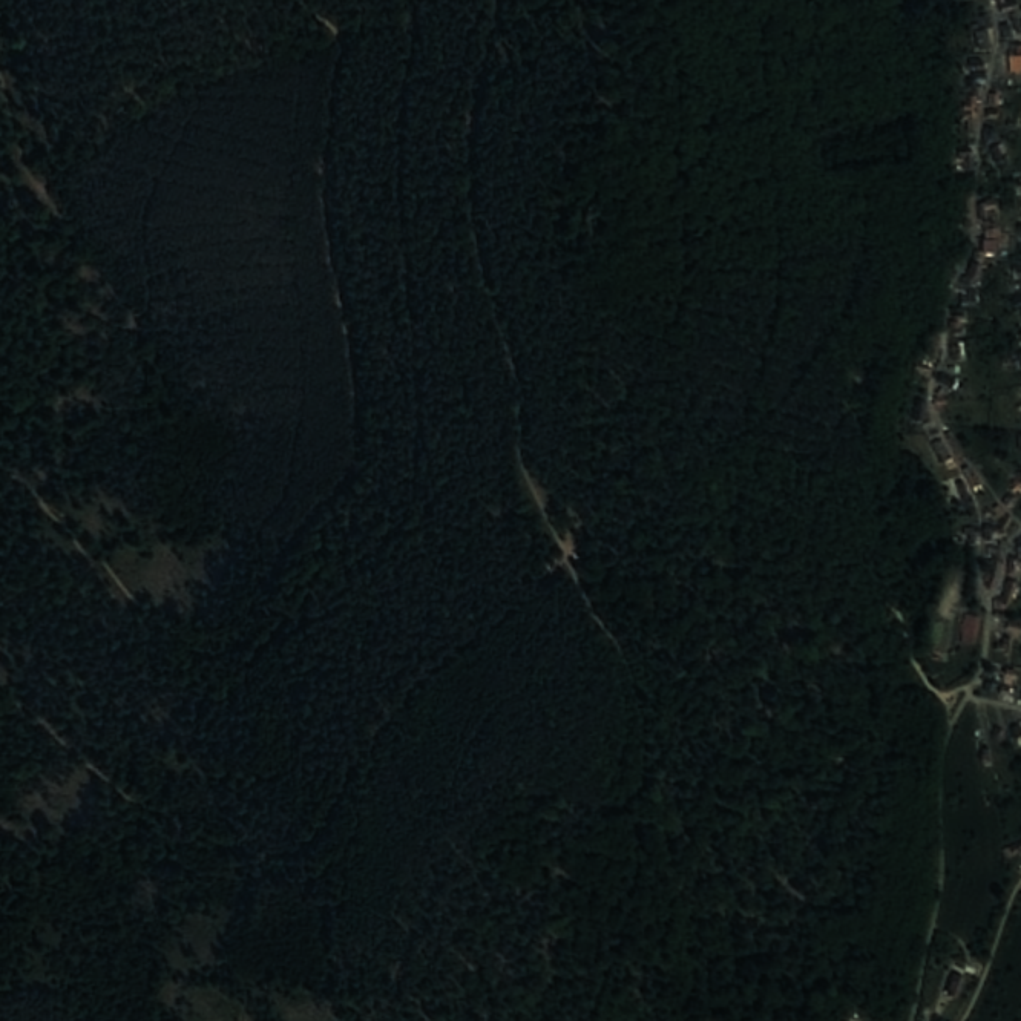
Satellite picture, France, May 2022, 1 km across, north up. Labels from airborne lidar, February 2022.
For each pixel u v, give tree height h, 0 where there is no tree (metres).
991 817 0
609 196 15
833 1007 31
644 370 17
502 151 25
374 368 27
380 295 26
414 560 28
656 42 20
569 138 20
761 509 19
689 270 22
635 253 24
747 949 28
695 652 27
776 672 26
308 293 20
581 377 15
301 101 17
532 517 19
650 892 24
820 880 31
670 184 22
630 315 24
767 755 29
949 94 20
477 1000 23
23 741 22
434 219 28
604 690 17
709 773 27
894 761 24
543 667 19
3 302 28
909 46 26
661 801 20
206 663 25
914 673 0
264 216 15
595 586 24
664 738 11
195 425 13
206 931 0
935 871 11
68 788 0
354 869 15
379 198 22
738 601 25
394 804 11
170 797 27
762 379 20
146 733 29
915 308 21
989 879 0
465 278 25
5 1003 17
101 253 13
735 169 23
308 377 19
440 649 29
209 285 17
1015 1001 0
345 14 20
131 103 26
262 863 31
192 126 15
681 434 20
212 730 31
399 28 26
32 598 26
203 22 21
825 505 22
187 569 0
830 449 18
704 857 24
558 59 17
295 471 17
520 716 15
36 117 27
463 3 29
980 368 0
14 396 24
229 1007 0
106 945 13
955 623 0
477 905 19
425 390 26
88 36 27
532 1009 14
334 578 29
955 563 20
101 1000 13
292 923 7
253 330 17
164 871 26
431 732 9
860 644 26
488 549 21
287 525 21
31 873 20
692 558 21
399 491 27
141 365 10
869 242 19
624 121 19
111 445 15
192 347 17
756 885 27
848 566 24
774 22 31
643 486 26
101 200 15
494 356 23
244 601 20
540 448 20
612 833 27
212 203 18
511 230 26
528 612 20
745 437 18
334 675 28
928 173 27
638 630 11
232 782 24
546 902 26
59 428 12
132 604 0
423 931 18
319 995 26
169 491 22
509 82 19
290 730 18
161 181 15
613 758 15
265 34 27
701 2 23
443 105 23
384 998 14
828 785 27
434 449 27
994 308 0
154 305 14
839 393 18
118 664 30
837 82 31
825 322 17
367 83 20
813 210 26
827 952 34
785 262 23
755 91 25
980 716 0
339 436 19
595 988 13
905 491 19
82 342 11
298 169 17
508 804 19
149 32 27
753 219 26
